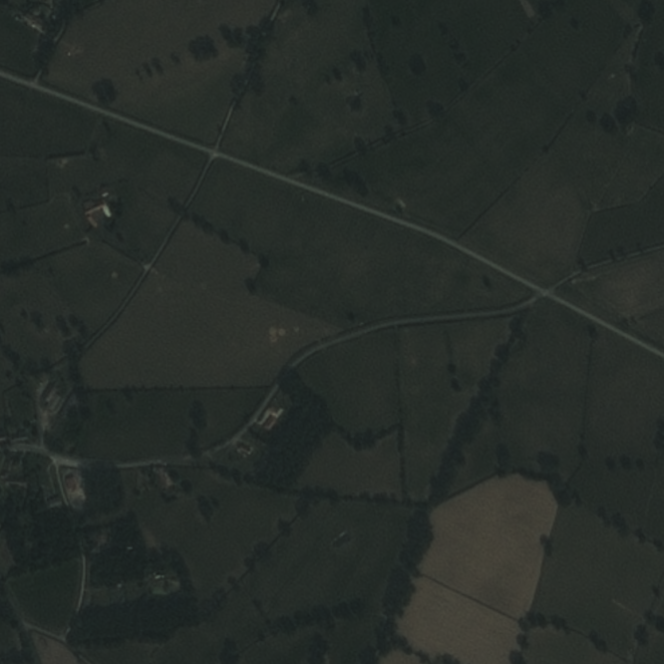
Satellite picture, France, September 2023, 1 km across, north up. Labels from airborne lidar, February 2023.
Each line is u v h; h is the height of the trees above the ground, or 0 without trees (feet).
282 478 46
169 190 0
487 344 0
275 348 0
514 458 0
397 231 0
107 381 0
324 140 0
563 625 52
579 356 0
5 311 0
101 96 74
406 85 0
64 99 0
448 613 0
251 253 0
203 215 0
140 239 0
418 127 0
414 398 0
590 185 0
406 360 0
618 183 0
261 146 0
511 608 0
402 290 0
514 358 0
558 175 0
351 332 0
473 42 0
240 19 0
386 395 0
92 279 0
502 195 0
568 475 0
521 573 0
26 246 0
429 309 0
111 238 0
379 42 0
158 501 0
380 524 0
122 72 0
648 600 0
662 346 0
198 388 0
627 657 0
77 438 20
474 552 0
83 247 0
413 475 0
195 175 0
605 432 0
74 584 0
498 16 0
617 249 0
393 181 0
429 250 0
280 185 0
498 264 0
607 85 0
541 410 0
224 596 53
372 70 0
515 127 0
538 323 0
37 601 0
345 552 0
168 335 0
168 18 0
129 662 0
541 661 0
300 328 0
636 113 43
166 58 0
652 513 0
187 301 0
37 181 0
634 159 0
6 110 0
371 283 0
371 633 0
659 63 48
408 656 0
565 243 0
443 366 0
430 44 0
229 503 0
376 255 0
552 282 0
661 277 0
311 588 0
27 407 0
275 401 0
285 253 0
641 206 0
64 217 0
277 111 0
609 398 0
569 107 0
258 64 55
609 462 35
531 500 0
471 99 0
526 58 0
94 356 0
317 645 56
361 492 0
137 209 0
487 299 0
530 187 0
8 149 0
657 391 0
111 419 0
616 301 0
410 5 49
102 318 0
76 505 0
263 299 0
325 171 59
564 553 0
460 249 0
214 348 0
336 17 0
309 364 0
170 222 0
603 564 0
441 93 0
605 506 0
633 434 0
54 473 0
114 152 0
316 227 0
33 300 0
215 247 0
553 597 0
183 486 30
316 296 0
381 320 0
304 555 0
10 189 0
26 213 0
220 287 0
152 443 0
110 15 0
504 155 0
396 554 0
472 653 0
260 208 0
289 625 59
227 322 0
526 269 0
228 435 0
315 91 0
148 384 0
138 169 0
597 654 0
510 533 0
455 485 0
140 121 0
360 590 0
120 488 70
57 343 0
